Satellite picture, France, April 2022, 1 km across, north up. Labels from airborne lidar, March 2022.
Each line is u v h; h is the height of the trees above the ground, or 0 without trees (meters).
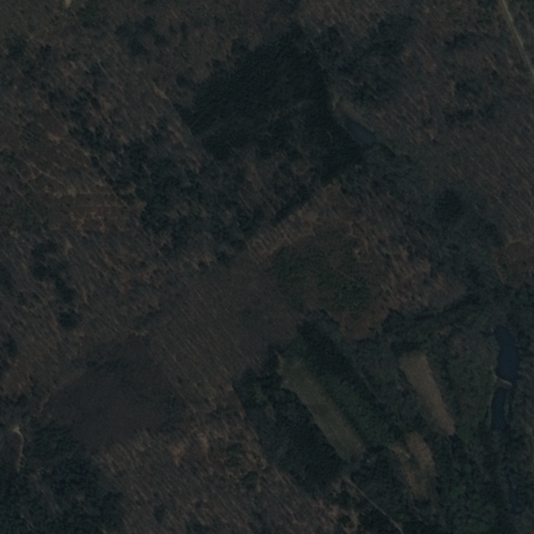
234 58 18
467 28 8
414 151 29
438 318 22
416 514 20
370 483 32
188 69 16
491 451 26
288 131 16
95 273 30
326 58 11
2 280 27
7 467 13
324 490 24
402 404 28
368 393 27
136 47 19
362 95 17
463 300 28
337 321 9
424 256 23
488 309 20
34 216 16
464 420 18
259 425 31
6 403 13
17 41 15
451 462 26
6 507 27
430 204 20
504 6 0
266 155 21
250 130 14
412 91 26
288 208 15
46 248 27
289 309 19
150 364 12
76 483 14
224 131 17
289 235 33
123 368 9
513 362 0
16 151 12
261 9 19
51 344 26
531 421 28
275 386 25
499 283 29
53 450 10
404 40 20
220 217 19
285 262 10
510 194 26
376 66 29
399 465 28
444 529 28
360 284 11
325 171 23
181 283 22
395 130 30
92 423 12
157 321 23
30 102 28
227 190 22
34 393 16
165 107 26
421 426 23
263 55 19
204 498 27
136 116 27
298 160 18
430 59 29
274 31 18
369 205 35
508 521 31
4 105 28
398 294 30
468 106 31
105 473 25
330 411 0
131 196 7
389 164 25
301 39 22
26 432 11
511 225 28
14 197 30
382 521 15
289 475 29
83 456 7
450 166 27
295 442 26
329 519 25
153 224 15
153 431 18
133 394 9
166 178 24
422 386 0
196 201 24
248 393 21
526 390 28
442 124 30
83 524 25
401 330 23
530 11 0
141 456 29
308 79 18
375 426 22
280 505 28
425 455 0
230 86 16
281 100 13
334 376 15
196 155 28
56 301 26
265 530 24
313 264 12
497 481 27
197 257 14
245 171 12
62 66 28
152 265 27
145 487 26
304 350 9
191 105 19
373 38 26
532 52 27
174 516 26
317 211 36
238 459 7
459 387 18
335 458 17
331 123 25
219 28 19
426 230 32
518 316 21
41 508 29
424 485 0
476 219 30
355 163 23
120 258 32
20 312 21
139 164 28
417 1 20
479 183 30
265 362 20
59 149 12
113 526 30
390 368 33
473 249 31
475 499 29
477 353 29
